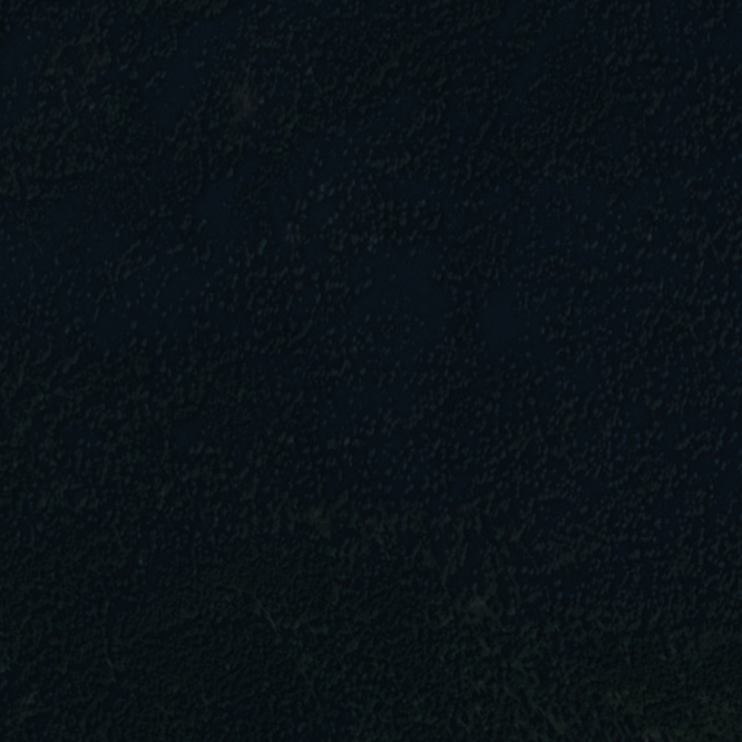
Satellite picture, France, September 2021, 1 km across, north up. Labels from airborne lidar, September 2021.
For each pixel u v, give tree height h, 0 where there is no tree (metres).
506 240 27
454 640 16
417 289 13
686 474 7
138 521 8
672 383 7
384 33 21
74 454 38
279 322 17
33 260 22
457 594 11
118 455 14
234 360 18
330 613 19
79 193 15
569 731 7
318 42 37
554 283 27
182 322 18
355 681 15
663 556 6
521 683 13
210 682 21
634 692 12
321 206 11
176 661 21
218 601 19
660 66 16
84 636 27
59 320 13
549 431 30
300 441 20
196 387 25
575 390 11
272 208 14
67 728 13
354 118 11
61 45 24
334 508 29
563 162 29
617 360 20
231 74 36
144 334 19
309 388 11
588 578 7
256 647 19
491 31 13
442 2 30
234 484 15
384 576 18
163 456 32
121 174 16
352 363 13
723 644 6
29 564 23
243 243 19
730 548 29
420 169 30
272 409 12
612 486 32
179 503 15
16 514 19
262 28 11
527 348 12
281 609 13
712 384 23
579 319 21
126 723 28
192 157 14
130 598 21
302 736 7
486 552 31
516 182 32
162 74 19
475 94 30
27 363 12
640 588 7
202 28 0
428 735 19
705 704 6
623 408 7
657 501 8
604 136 19
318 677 21
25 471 17
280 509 14
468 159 27
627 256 9
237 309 22
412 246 17
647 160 14
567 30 15
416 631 10
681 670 7
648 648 14
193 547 23
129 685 28
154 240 17
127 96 19
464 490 7
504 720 12
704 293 26
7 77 16
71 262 26
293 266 31
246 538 6
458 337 32
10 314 24
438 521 29
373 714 12
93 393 14
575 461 24
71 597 22
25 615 27
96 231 15
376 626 15
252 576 18
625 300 28
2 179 33
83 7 14
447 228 31
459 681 17
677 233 36
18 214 19
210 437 14
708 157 13
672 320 26
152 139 16
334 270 23
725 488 6
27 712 21
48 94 11
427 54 23
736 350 29
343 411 18
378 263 10
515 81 8
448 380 27
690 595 24
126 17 11
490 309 6
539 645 11
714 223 16
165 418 11
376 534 21
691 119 10
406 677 11
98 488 22
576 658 18
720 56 8
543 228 15
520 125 30
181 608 24
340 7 32
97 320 14
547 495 28
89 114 7
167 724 9
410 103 18
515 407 25
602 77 23
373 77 24
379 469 8
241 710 21
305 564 17
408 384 28
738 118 26
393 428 16
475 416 33
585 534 31
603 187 11
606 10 28
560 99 21
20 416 11
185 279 27
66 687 27
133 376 22
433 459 6
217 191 9
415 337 16
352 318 16
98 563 14
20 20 30
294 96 34
